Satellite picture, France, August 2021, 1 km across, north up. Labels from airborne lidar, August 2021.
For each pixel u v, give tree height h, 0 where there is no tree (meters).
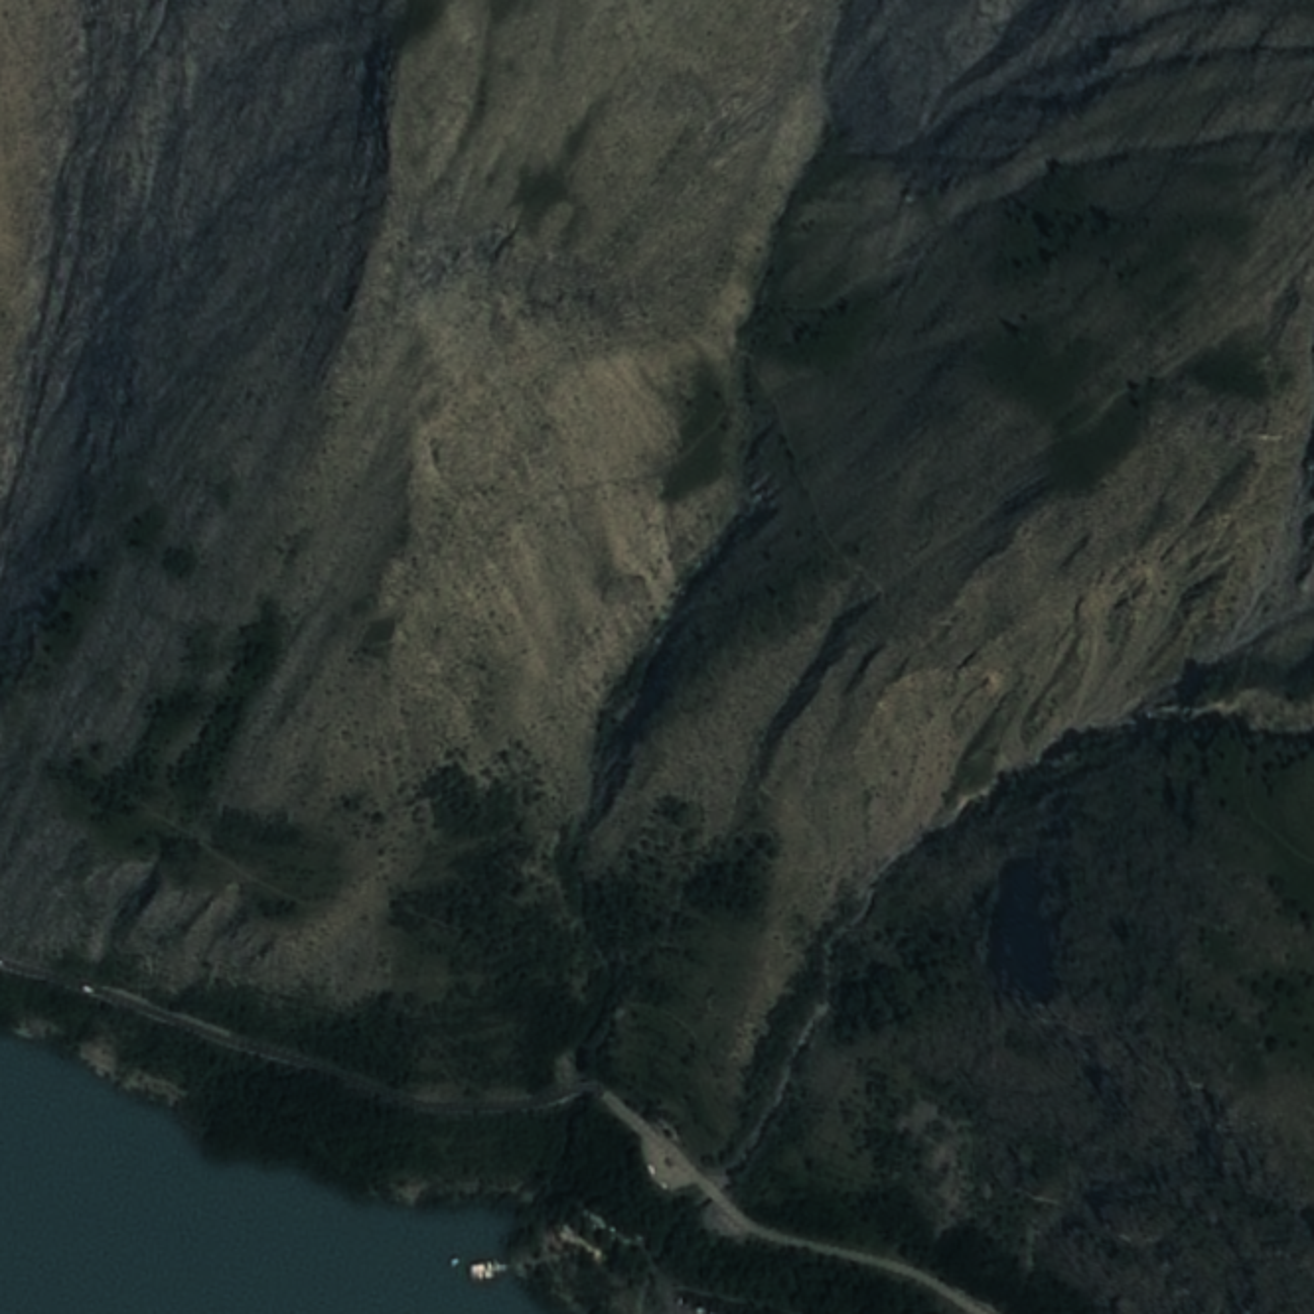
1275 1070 0
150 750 9
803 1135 8
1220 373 0
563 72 0
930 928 8
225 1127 8
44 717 0
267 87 0
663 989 9
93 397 0
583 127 0
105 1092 0
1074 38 0
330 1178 7
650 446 0
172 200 0
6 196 0
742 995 0
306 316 0
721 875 14
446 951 6
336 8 0
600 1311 8
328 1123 16
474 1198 8
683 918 10
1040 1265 12
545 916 17
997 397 0
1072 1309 6
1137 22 0
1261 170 0
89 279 0
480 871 8
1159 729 12
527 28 0
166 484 0
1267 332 0
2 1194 0
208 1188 0
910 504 0
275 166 0
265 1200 0
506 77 0
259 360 0
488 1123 8
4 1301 0
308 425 0
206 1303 0
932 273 0
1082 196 0
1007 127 0
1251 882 0
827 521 0
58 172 0
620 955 6
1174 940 0
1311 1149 0
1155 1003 0
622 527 0
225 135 0
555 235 0
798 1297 12
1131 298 0
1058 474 0
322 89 0
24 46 0
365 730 0
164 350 0
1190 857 0
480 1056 11
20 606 0
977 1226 10
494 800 12
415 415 0
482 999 10
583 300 7
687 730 0
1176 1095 7
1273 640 0
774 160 0
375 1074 13
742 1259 11
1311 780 0
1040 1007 7
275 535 0
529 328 0
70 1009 6
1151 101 0
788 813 0
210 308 0
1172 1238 12
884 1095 13
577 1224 14
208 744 15
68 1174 0
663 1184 0
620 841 0
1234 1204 8
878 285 0
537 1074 11
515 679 0
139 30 0
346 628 0
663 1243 9
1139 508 7
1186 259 0
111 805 12
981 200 0
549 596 0
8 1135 0
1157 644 0
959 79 0
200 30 0
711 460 0
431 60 0
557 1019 17
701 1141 0
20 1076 0
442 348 0
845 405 0
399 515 0
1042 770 6
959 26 0
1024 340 14
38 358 0
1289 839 0
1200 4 0
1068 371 0
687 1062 6
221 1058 6
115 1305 0
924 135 0
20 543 0
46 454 0
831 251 0
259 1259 0
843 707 0
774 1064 11
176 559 6
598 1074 13
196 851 6
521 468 7
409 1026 10
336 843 0
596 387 0
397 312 0
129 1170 0
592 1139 14
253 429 0
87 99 0
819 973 7
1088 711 0
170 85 0
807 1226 17
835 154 0
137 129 0
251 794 0
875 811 0
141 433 0
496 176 0
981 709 0
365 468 0
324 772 0
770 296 0
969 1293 9
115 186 0
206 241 0
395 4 0
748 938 0
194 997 7
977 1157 7
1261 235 0
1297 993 10
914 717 0
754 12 0
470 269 0
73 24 0
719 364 0
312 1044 11
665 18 0
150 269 0
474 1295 0
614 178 0
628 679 6
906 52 0
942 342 0
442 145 0
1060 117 0
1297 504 0
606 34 0
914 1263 18
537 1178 8
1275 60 0
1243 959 0
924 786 0
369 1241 0
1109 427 0
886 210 0
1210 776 7
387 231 0
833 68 0
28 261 0
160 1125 0
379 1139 21
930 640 8
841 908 6
